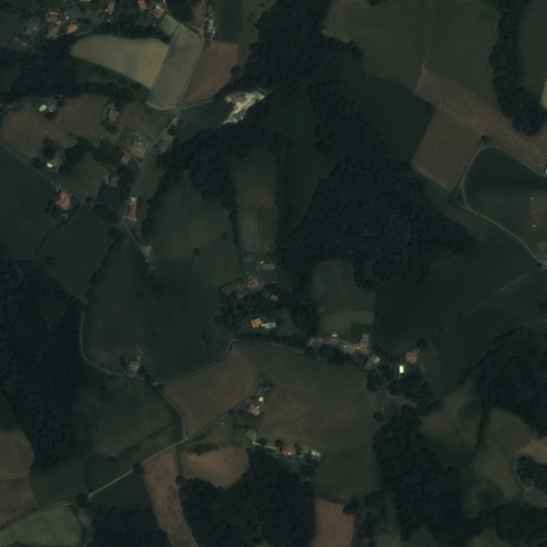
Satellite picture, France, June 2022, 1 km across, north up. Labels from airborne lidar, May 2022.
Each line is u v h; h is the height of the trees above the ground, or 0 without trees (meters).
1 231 0
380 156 15
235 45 0
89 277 0
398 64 0
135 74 0
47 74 25
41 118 0
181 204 0
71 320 8
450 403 0
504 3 21
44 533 0
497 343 18
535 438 0
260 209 0
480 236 0
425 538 0
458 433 0
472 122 0
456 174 0
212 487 18
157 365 0
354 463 0
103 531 15
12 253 0
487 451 0
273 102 20
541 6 0
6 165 0
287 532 25
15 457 0
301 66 25
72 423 15
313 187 0
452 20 0
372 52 0
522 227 0
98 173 0
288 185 22
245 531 0
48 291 12
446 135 0
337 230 21
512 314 0
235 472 0
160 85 0
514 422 0
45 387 18
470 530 13
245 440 0
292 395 0
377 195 26
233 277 0
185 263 0
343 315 0
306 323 18
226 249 0
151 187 0
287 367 0
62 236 0
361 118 15
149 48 0
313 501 14
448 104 0
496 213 0
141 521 16
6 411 0
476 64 0
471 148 0
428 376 0
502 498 0
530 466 30
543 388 20
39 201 0
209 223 0
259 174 0
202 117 0
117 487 0
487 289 0
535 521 14
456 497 18
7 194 0
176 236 0
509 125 0
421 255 10
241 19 0
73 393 21
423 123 0
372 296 0
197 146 19
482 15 0
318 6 27
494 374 22
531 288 0
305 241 22
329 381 0
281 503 18
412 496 21
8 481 0
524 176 0
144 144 0
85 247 0
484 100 0
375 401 0
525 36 0
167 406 0
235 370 0
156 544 18
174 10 22
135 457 0
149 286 0
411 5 0
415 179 10
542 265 8
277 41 20
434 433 0
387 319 0
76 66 0
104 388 10
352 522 0
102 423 0
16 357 15
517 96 20
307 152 0
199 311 0
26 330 20
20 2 0
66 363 19
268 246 0
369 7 0
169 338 0
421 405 16
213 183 25
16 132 0
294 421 0
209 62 0
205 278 0
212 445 0
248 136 21
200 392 0
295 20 28
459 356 0
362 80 0
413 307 0
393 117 0
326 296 0
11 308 29
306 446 0
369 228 18
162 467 0
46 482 0
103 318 0
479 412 0
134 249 0
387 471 17
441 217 15
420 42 0
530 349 21
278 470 25
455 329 0
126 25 16
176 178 23
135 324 0
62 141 0
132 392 0
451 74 0
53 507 0
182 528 0
